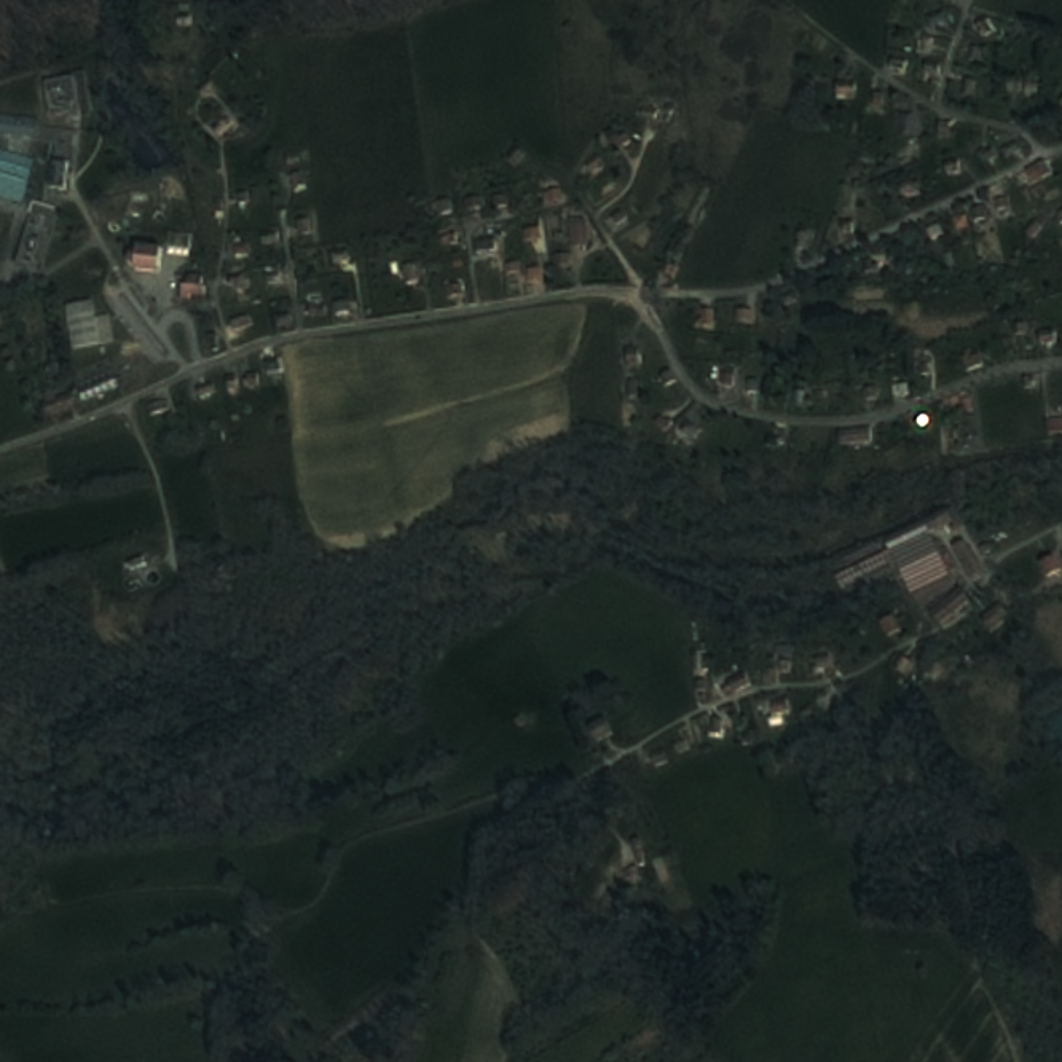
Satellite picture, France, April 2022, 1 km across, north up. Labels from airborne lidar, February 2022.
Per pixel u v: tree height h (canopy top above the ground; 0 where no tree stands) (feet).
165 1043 0
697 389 0
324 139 0
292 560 50
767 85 0
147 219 0
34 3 79
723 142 0
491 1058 0
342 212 0
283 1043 103
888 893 86
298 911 0
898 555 0
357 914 0
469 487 60
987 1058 0
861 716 63
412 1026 100
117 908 0
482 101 0
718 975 88
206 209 0
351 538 0
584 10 0
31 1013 25
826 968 0
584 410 0
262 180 0
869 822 64
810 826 0
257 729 74
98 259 0
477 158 0
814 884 0
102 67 0
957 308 0
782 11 0
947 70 0
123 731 90
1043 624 0
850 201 0
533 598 23
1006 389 0
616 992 91
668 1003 99
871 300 0
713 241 0
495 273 0
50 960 0
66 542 0
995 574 56
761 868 0
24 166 0
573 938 79
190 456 61
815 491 20
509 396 0
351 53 0
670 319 0
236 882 84
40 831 82
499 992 0
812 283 54
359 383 0
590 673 0
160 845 81
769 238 0
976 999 0
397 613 85
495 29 0
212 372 0
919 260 38
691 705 0
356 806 33
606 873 0
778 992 0
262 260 0
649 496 72
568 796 89
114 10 110
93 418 0
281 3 24
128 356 0
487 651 0
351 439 0
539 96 0
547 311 0
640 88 0
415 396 0
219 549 50
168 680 73
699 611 82
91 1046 0
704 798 0
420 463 0
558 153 0
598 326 0
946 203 0
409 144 0
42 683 75
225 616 52
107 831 87
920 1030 0
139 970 0
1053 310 0
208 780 84
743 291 0
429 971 60
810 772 67
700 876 0
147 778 53
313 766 86
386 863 0
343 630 65
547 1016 69
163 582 0
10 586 93
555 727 0
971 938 86
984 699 0
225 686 69
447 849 0
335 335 0
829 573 29
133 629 0
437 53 0
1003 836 115
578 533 39
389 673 0
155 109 60
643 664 0
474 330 0
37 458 0
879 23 0
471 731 0
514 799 74
